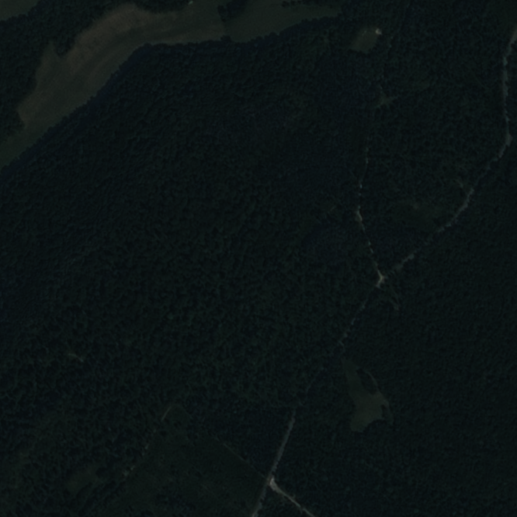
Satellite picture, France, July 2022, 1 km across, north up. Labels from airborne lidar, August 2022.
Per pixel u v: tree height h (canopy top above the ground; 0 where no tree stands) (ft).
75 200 91
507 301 74
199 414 67
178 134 60
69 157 92
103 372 109
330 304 69
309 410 69
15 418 53
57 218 90
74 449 45
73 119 44
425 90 22
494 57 31
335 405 55
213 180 74
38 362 89
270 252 73
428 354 75
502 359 66
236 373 18
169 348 82
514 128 52
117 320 82
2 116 63
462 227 64
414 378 60
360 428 0
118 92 73
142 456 81
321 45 54
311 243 104
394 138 68
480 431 70
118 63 0
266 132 48
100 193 96
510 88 21
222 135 64
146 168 51
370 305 51
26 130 0
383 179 54
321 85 79
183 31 0
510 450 67
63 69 0
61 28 71
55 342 98
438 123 20
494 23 33
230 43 65
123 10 0
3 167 0
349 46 41
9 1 0
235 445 63
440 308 49
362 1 77
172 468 29
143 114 106
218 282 68
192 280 35
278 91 57
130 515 55
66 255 76
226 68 103
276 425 46
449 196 29
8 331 92
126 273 81
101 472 53
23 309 83
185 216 73
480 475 64
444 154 40
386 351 73
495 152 30
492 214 49
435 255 35
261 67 80
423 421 64
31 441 62
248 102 71
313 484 19
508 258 69
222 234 88
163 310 87
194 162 76
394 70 44
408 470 55
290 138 79
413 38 36
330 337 58
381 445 23
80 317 100
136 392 101
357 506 28
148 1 52
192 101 92
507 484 73
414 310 58
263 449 66
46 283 86
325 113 73
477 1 52
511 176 77
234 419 24
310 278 79
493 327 61
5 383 103
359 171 50
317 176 66
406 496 24
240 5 74
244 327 20
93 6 63
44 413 82
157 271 92
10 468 52
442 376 48
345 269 69
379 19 52
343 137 87
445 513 41
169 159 51
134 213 83
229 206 70
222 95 102
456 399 70
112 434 48
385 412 30
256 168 84
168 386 81
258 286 73
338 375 53
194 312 21
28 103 0
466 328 62
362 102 78
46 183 87
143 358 75
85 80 0
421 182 55
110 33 0
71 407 82
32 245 105
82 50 0
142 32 0
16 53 66
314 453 26
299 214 65
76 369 28
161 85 104
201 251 113
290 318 77
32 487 17
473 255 51
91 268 68
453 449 64
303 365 56
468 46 23
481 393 52
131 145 101
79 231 100
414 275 77
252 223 68
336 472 30
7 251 107
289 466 36
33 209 99
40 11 70
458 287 51
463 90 44
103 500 40
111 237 50
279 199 64
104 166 107
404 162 69
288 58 84
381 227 49
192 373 87
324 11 0
